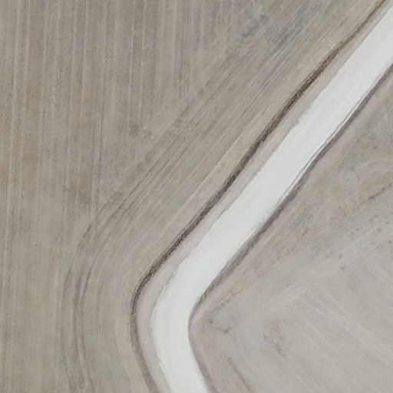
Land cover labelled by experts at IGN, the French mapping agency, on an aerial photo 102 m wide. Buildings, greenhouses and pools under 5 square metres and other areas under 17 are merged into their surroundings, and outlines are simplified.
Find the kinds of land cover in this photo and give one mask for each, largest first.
<instances>
[{"label":"plowed land","instance_id":"1","mask_svg":"<svg viewBox=\"0 0 393 393\"><path fill-rule=\"evenodd\" d=\"M387 0H0V393H172L166 375L161 370L152 329V315L161 295L169 289L170 282L177 275L178 267L184 259L189 258L192 250L200 246L201 239L212 229L215 221L220 220L238 200L244 189L258 175L259 170L263 169L264 164L281 146L282 141L286 140L290 130L299 123L305 112L309 111L313 101L329 86L330 81L336 77L353 51L373 31L376 23L387 11L384 3ZM187 333L193 358L200 368L209 393H393V63L362 98L341 129L322 146L312 163L305 167L298 183L273 210L266 223L239 249L232 261L227 263L220 275L210 282V286L193 305Z\"/></svg>","mask_w":393,"mask_h":393},{"label":"pervious surface","instance_id":"2","mask_svg":"<svg viewBox=\"0 0 393 393\"><path fill-rule=\"evenodd\" d=\"M387 11L376 23L373 31L353 51L336 77L330 81L329 86L313 101L309 111L305 112L299 123L290 130L286 140L282 141L281 146L264 164L263 169L259 170L258 175L244 189L238 200L220 220L215 221L212 229L201 239L200 246L192 250L189 258L184 259L178 267L177 275L170 282L169 289L161 295L152 315V329L161 370L166 375L172 393H209L200 368L193 358L187 333L193 305L210 286V282L220 275L227 263L232 261L239 249L266 223L273 210L298 183L305 167L312 163L322 146L341 129L362 98L393 63V0H387L384 3Z\"/></svg>","mask_w":393,"mask_h":393}]
</instances>
